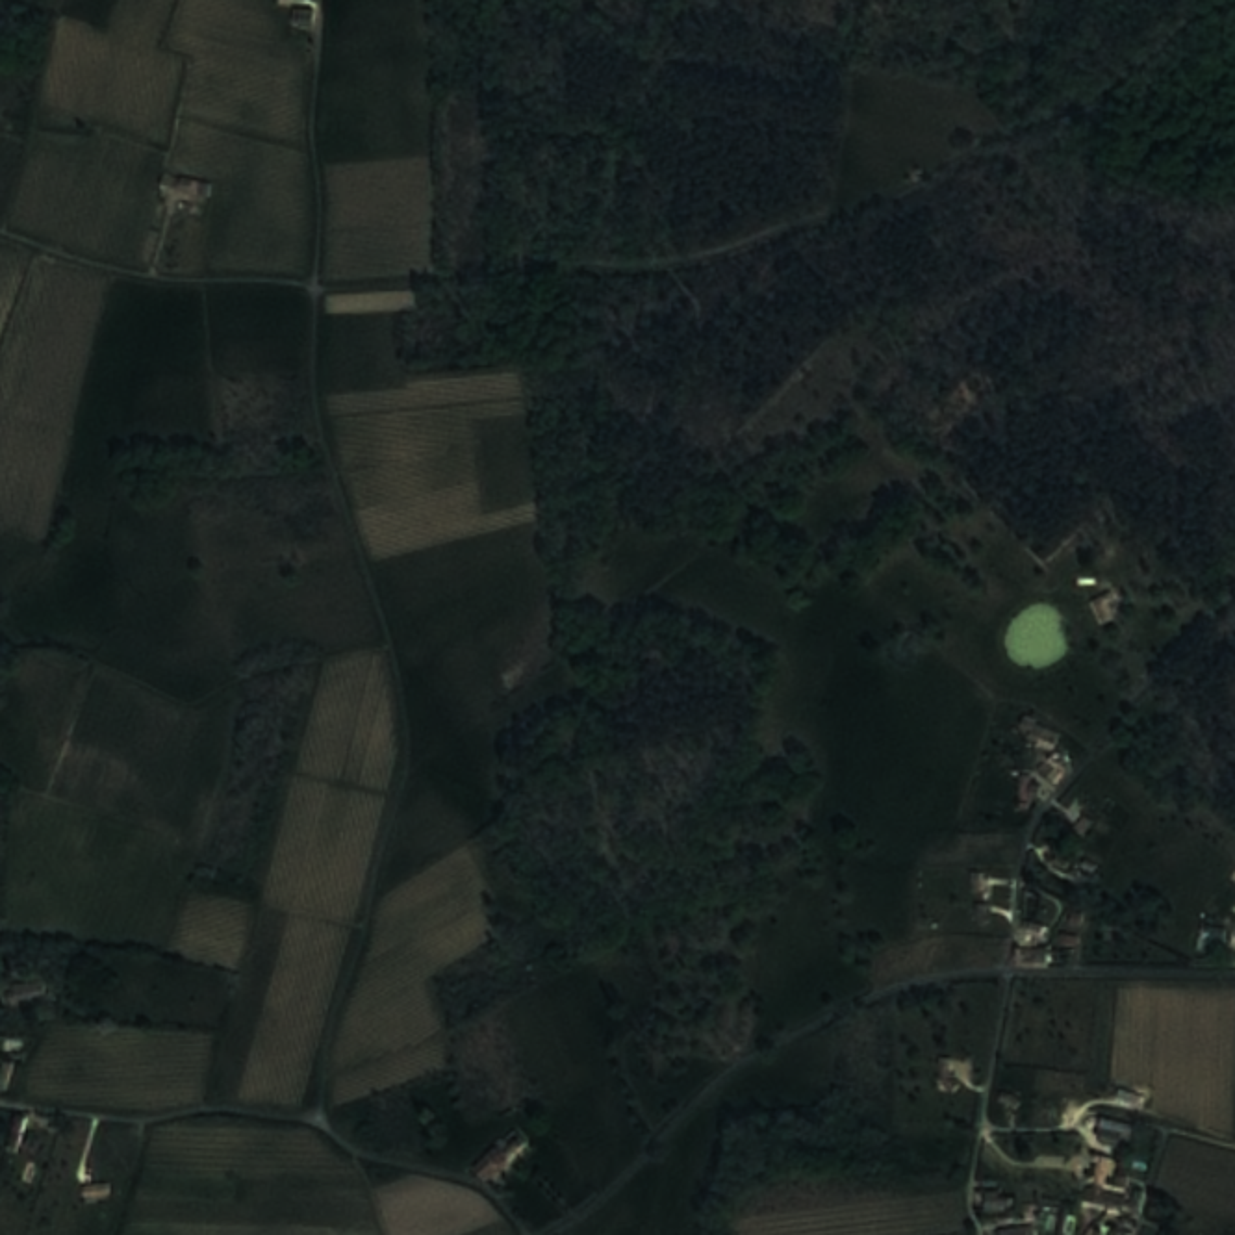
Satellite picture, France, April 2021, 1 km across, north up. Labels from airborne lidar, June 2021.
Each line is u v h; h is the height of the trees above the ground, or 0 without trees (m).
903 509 20
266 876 0
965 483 8
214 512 5
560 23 14
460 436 0
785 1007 0
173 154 0
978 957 0
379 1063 0
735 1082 0
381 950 0
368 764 0
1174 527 20
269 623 0
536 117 22
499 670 0
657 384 15
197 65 0
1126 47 21
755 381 9
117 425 0
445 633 0
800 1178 6
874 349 12
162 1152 0
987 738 0
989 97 19
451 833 0
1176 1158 0
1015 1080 0
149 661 0
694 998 10
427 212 0
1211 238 15
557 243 15
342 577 0
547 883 20
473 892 0
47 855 0
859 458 15
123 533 0
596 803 20
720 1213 20
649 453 21
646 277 8
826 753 0
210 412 0
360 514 0
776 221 22
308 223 0
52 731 0
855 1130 9
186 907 0
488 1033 6
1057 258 10
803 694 0
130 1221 0
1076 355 18
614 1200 0
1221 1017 0
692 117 17
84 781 0
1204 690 21
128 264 0
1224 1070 0
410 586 0
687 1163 0
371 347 0
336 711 0
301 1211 0
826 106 23
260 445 14
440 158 12
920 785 0
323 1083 0
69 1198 0
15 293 0
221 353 0
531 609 0
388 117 0
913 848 0
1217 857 0
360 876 0
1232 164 26
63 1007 8
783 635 0
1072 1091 0
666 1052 10
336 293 0
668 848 22
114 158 0
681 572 0
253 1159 0
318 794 0
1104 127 19
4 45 21
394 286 0
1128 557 0
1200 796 18
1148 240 23
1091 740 0
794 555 22
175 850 0
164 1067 0
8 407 0
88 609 0
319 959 0
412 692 0
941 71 12
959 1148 0
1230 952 14
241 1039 0
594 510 21
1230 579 15
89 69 0
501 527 0
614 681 7
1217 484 21
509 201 23
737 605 0
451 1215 0
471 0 10
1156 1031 0
